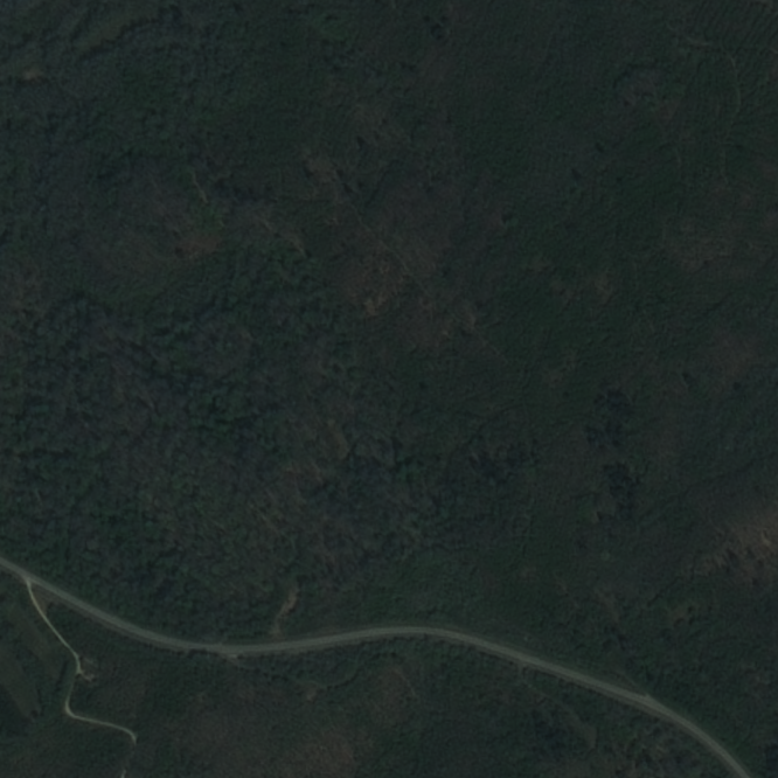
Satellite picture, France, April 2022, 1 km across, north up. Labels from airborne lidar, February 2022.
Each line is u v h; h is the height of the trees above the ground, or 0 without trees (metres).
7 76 13
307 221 10
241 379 27
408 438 11
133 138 28
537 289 8
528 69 13
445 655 11
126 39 14
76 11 20
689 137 7
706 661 11
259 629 12
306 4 26
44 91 26
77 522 34
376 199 10
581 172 13
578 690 8
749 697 12
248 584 25
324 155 7
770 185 9
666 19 10
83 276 27
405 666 23
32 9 21
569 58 19
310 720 13
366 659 12
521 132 14
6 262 29
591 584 14
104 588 20
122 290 28
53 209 32
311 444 18
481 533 6
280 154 10
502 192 14
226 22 21
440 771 12
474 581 13
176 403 28
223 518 17
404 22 9
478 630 14
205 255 14
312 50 11
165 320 12
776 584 18
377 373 8
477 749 12
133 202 31
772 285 15
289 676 7
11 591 11
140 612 17
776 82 9
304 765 15
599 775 7
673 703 8
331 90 6
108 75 26
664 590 9
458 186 14
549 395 6
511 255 14
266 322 12
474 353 7
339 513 32
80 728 7
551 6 15
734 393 11
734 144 7
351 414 24
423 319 7
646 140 6
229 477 24
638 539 15
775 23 7
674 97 11
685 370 13
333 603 5
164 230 28
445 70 11
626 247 8
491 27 12
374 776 14
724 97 7
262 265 26
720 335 16
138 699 7
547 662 0
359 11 9
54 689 13
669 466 17
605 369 8
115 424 31
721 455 15
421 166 12
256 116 12
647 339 6
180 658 9
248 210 27
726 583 11
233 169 10
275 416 26
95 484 24
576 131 13
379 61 13
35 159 31
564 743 9
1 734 20
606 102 17
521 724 9
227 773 12
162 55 25
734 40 7
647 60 13
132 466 10
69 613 7
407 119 7
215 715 11
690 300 8
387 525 15
